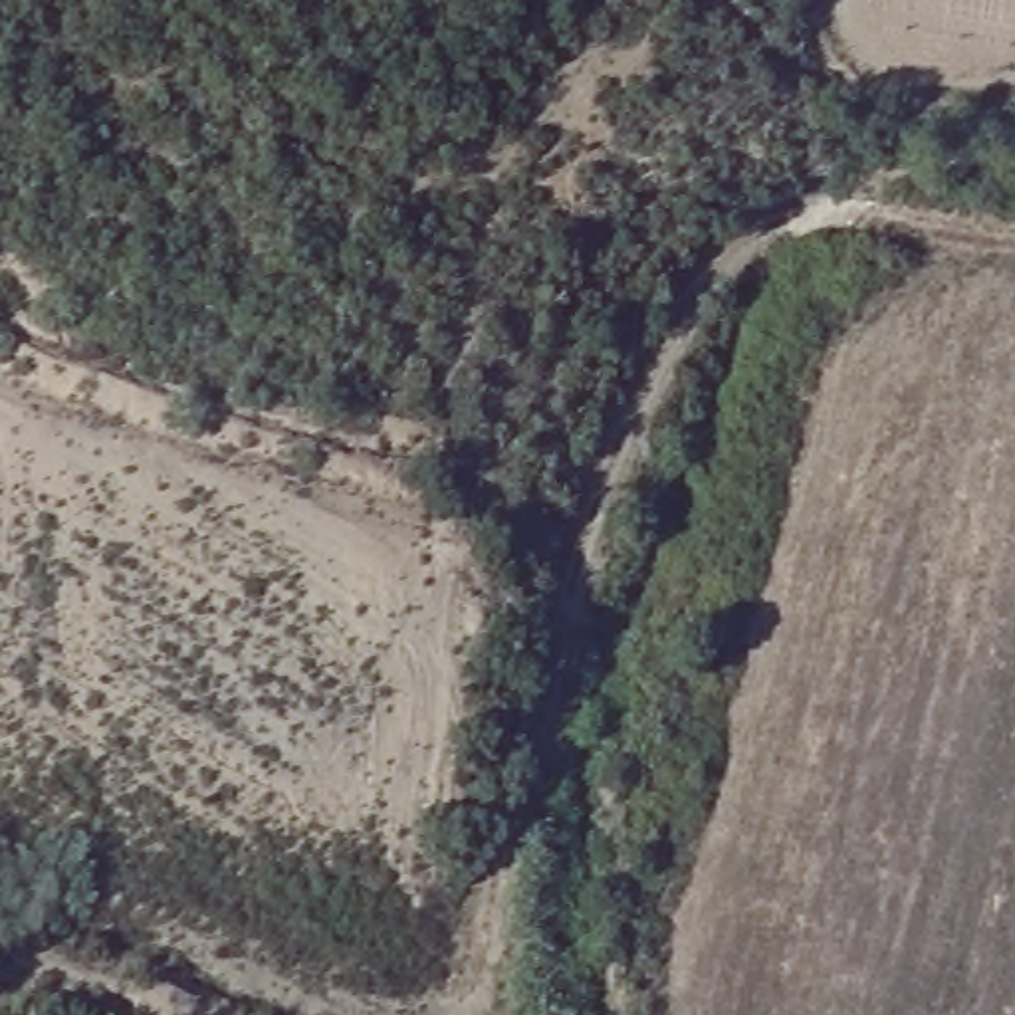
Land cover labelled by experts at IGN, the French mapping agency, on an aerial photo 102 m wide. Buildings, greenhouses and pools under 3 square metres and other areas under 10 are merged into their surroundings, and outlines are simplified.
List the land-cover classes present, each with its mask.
<instances>
[{"label":"brushwood","instance_id":"1","mask_svg":"<svg viewBox=\"0 0 1015 1015\"><path fill-rule=\"evenodd\" d=\"M837 0H0V361H8L20 345H32L36 353H48L56 361L99 365L103 373L163 396L167 424L190 432H218L230 420V412L246 404L305 408L317 420L337 416L345 428H353V416L436 420L444 432V448L420 452L412 468L400 476V484L420 492L424 519H456L484 571L508 579L519 591V607H508V619H496L488 630L480 626V646L460 670L464 718L448 730L456 749L460 797L436 801L412 825L400 829V837L420 841L412 872L440 876V884L424 892V908L408 904L396 868H389L377 817H365L333 841H309L297 856H289V837L282 829H270V821H254L250 837H226L198 825L186 809H178L170 797L147 785L103 805V769L87 757V749H67L56 737H44L40 757H32L24 769V781L0 777V1015H670L674 912L690 888L698 845L714 817L722 777L730 765V706L741 694L745 658L777 626V607L765 603V583L773 575L781 523L789 511V480L805 452V424L817 404L829 349L848 333V325L864 321V305L876 293H896L928 262V242L896 226L908 206L995 214L1003 222H1015V83L963 91L944 87L940 71L932 67L864 71L841 40V32L833 28Z\"/></svg>","mask_w":1015,"mask_h":1015},{"label":"agricultural land","instance_id":"2","mask_svg":"<svg viewBox=\"0 0 1015 1015\"><path fill-rule=\"evenodd\" d=\"M896 226L928 242V262L896 293H876L864 305V321L848 325V333L829 349L817 404L805 424V452L789 480V511L781 523L773 575L765 583V603L777 607V626L745 658L741 694L730 706V765L722 777L714 817L698 845L690 888L674 912L670 1015H1015V222H1003L995 214L908 206ZM444 448V432L436 420L353 416V428H345L337 416L317 420L305 408L246 404L230 412V420L218 432H190L167 424L163 396L103 373L99 365L56 361L48 353H36L32 345H20L8 361H0V777L24 781V769L32 757H40L44 737H56L67 749H87V757L103 769V805L147 785L170 797L178 809H186L198 825L226 837H250L254 821H270V829H282L289 837V856H297L309 841H333L365 817H377L389 868H396L408 904L424 908V892L440 884V876L412 872L420 841L400 837V829L412 825L436 801L460 797L456 749L448 730L464 718L460 670L480 646V626L488 630L496 619H508V607H519V591L508 579L484 571L456 519H424L420 492L400 484V476L412 468L420 452Z\"/></svg>","mask_w":1015,"mask_h":1015},{"label":"vineyard","instance_id":"3","mask_svg":"<svg viewBox=\"0 0 1015 1015\"><path fill-rule=\"evenodd\" d=\"M833 28L841 32V40L864 71L932 67L940 71L944 87L963 91L1015 83V0H837Z\"/></svg>","mask_w":1015,"mask_h":1015}]
</instances>
